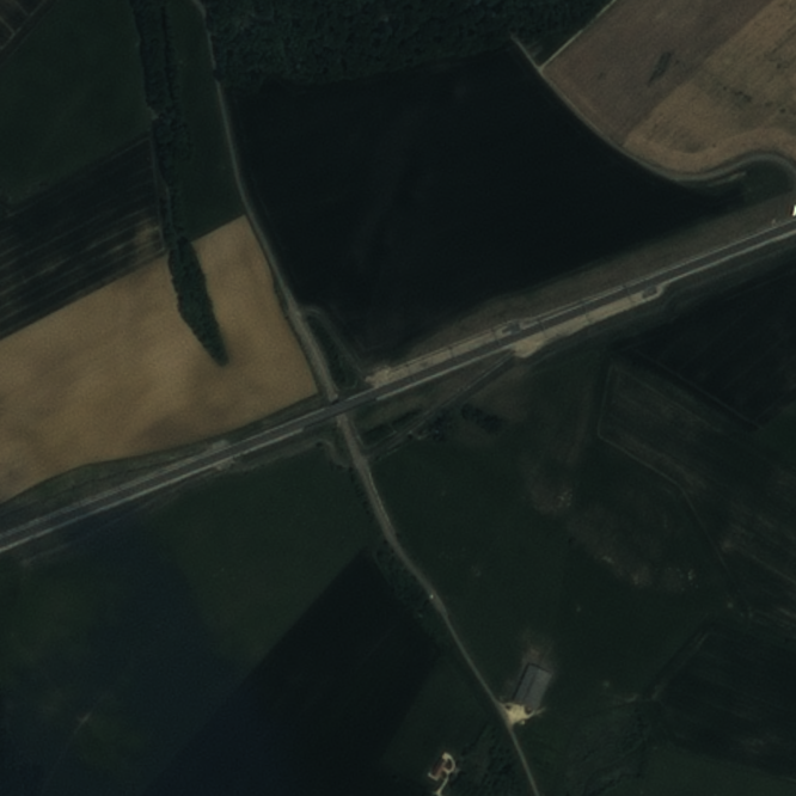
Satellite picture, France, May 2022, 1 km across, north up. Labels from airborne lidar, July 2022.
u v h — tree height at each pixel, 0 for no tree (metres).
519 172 0
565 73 0
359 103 0
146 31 23
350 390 0
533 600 0
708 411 0
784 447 0
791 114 0
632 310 0
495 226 0
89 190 0
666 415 0
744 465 0
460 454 0
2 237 0
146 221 0
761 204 0
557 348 0
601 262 0
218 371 0
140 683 0
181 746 0
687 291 0
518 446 0
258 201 0
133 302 0
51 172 0
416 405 0
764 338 0
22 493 0
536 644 0
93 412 0
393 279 0
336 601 0
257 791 0
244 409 0
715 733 0
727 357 0
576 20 24
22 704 0
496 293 0
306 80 22
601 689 0
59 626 0
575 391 0
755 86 0
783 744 0
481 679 0
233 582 0
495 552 0
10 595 0
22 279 0
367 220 0
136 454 0
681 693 0
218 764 0
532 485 0
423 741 0
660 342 0
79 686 0
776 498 0
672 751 0
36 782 13
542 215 0
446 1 24
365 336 0
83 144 0
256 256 0
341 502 0
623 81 0
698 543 0
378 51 23
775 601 0
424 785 0
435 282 0
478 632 0
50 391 0
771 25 0
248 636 0
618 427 0
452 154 0
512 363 0
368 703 0
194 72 0
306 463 0
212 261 0
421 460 0
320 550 0
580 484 0
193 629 0
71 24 0
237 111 0
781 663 0
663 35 0
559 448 0
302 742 0
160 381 0
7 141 0
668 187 0
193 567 0
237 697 0
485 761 0
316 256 0
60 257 0
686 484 0
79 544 0
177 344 0
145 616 0
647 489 0
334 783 0
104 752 0
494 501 0
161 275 0
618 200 0
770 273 0
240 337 0
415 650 0
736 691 0
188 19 0
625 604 0
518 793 15
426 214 0
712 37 0
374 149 0
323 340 6
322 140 0
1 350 0
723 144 0
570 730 0
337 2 25
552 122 0
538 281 0
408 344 0
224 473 0
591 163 0
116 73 0
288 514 0
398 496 0
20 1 0
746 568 0
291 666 0
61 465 0
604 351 0
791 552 0
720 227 0
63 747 0
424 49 22
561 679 0
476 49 22
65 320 0
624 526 0
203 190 0
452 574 0
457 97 0
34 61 0
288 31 27
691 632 0
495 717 0
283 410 0
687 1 0
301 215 0
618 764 0
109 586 0
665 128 0
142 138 0
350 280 0
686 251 0
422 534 0
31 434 0
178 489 0
